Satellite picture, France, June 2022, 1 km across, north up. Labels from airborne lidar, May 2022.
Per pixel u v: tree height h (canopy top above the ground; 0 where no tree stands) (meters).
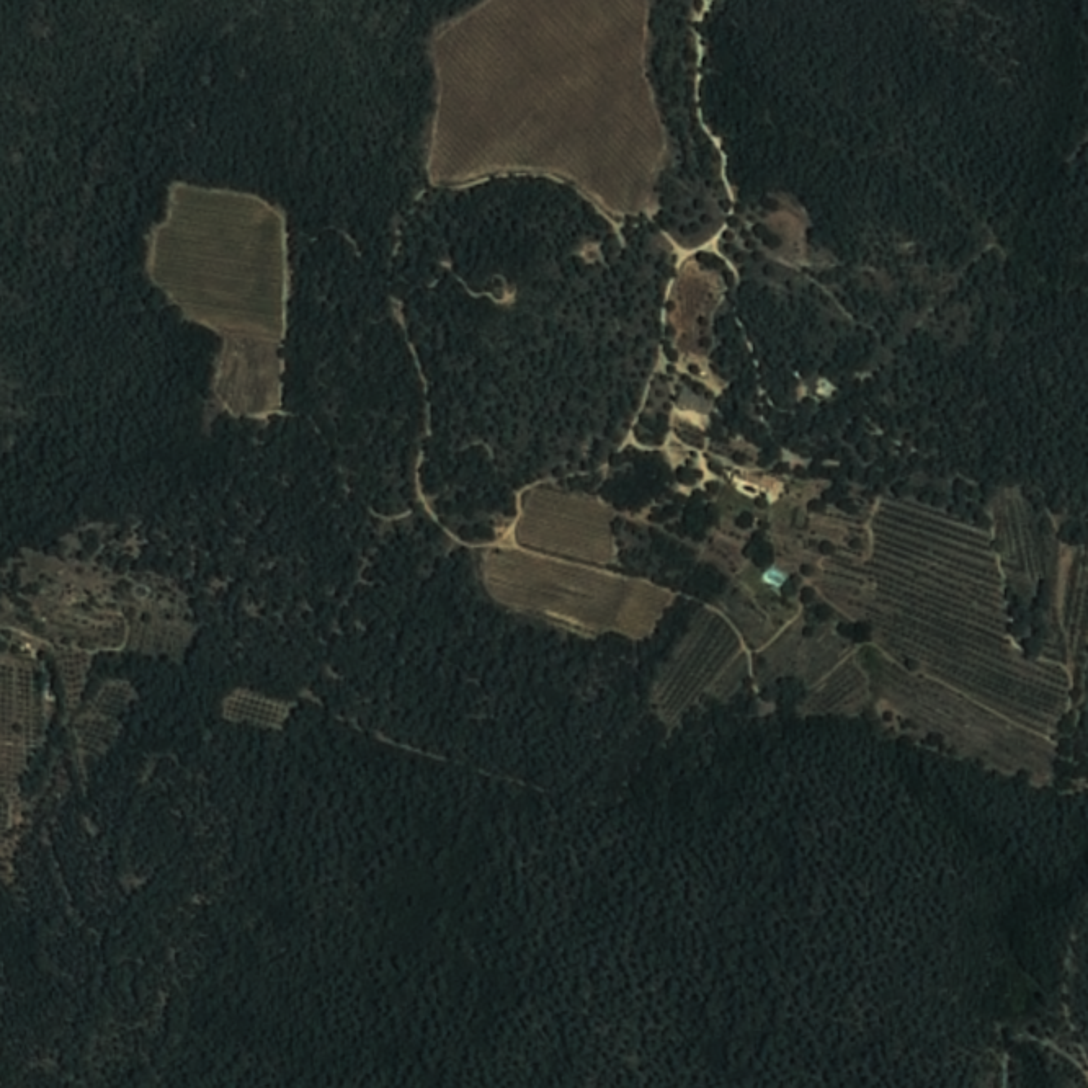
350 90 6
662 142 0
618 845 8
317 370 13
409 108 9
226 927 14
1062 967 11
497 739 18
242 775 13
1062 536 7
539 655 7
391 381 8
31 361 10
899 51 16
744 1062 20
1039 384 12
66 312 13
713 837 18
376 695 18
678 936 10
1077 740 8
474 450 10
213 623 17
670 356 6
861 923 15
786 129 13
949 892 9
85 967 7
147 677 18
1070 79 8
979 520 16
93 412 11
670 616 7
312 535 9
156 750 7
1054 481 16
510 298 0
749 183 11
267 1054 15
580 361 14
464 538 9
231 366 0
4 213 12
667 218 8
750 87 7
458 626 8
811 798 11
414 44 8
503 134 0
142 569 17
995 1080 7
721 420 9
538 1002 19
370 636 11
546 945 5
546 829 10
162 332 10
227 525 7
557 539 0
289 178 14
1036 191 6
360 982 19
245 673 18
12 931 9
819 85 12
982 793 16
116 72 6
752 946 17
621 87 0
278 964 14
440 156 0
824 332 11
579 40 0
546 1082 7
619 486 9
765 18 14
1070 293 6
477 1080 15
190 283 0
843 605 0
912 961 17
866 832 16
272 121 10
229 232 0
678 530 7
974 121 15
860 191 13
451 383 11
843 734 16
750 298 12
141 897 18
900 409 6
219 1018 14
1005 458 15
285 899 5
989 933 8
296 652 19
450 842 8
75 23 10
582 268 14
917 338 13
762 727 17
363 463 6
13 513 12
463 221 10
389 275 19
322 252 10
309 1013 13
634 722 17
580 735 17
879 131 13
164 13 8
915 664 12
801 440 13
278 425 14
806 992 16
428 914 7
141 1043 8
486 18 0
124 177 11
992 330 6
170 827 13
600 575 0
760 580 0
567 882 17
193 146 13
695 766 9
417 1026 7
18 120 10
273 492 14
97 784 7
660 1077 17
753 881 7
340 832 18
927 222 10
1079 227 12
